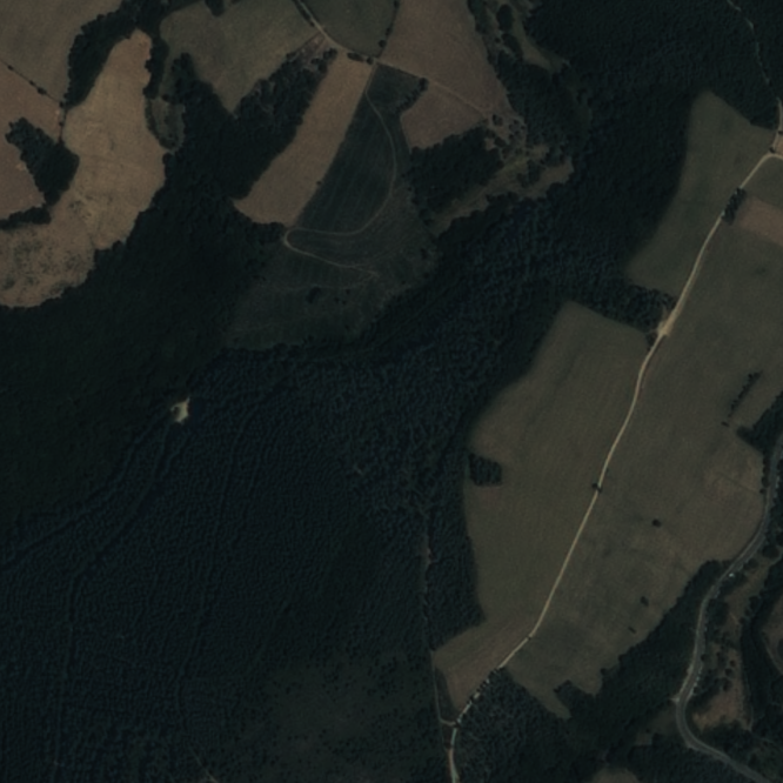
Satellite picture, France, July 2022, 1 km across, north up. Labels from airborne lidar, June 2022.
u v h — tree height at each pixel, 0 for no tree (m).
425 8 0
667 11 14
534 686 0
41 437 17
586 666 0
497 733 12
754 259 0
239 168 15
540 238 14
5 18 0
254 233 15
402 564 17
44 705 23
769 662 11
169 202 27
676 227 0
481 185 14
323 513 31
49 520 32
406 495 23
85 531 32
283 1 0
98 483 27
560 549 0
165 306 20
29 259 0
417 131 0
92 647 22
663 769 14
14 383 17
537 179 10
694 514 0
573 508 0
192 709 18
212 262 23
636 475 0
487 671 0
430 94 0
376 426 14
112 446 18
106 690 21
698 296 0
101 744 19
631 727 18
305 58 0
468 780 15
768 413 9
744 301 0
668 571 0
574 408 0
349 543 18
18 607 31
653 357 0
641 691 16
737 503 0
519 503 0
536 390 0
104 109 0
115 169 0
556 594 0
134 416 20
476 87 0
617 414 0
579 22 8
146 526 31
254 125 12
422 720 11
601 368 0
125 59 0
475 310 22
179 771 20
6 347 17
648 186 18
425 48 0
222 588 32
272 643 14
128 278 17
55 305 16
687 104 14
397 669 7
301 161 0
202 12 0
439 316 7
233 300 10
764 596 19
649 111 20
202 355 24
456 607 14
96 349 15
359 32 0
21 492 12
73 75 11
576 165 18
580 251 22
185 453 31
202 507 31
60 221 0
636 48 14
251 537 31
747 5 12
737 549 0
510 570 0
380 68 0
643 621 0
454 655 0
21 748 20
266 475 32
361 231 0
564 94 25
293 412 28
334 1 0
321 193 0
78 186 0
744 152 0
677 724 0
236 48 0
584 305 8
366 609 14
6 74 0
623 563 0
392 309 15
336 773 8
